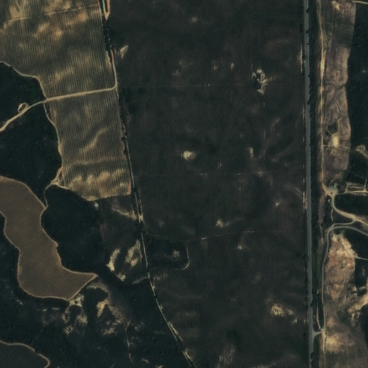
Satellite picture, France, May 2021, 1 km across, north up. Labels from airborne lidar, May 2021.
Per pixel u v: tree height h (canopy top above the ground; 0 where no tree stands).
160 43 0
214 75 0
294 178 0
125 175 0
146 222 0
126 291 6
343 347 0
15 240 0
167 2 0
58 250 9
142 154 0
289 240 0
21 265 0
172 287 0
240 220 0
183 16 0
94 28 0
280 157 0
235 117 0
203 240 0
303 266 0
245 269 0
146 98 0
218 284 0
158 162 0
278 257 0
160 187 0
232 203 0
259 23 0
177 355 6
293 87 0
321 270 0
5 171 7
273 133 0
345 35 0
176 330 0
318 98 0
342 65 0
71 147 0
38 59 0
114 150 0
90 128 0
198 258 0
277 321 0
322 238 0
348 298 0
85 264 6
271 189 0
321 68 0
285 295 0
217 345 0
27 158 6
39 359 0
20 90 6
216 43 0
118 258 0
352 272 0
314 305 9
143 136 0
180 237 0
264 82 0
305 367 0
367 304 0
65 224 8
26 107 0
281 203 0
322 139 0
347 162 0
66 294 0
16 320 7
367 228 0
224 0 0
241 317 0
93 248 7
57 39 0
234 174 0
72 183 0
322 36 0
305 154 0
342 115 0
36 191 7
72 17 0
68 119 0
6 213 0
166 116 0
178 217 0
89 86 0
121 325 0
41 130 6
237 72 0
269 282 0
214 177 0
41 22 0
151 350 6
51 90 0
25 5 0
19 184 0
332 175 0
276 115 0
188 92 0
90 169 0
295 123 0
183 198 0
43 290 0
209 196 0
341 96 0
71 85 0
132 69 0
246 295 0
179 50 0
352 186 0
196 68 0
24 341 7
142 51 0
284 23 0
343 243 0
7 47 0
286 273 0
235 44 0
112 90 0
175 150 0
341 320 0
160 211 0
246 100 0
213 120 0
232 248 0
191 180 0
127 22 0
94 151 0
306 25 0
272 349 0
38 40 0
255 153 0
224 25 0
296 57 0
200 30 0
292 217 0
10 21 0
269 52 0
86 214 7
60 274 0
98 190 0
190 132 0
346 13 0
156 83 0
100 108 0
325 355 0
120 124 0
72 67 0
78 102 0
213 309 0
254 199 0
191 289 0
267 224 0
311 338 0
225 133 0
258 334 0
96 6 0
